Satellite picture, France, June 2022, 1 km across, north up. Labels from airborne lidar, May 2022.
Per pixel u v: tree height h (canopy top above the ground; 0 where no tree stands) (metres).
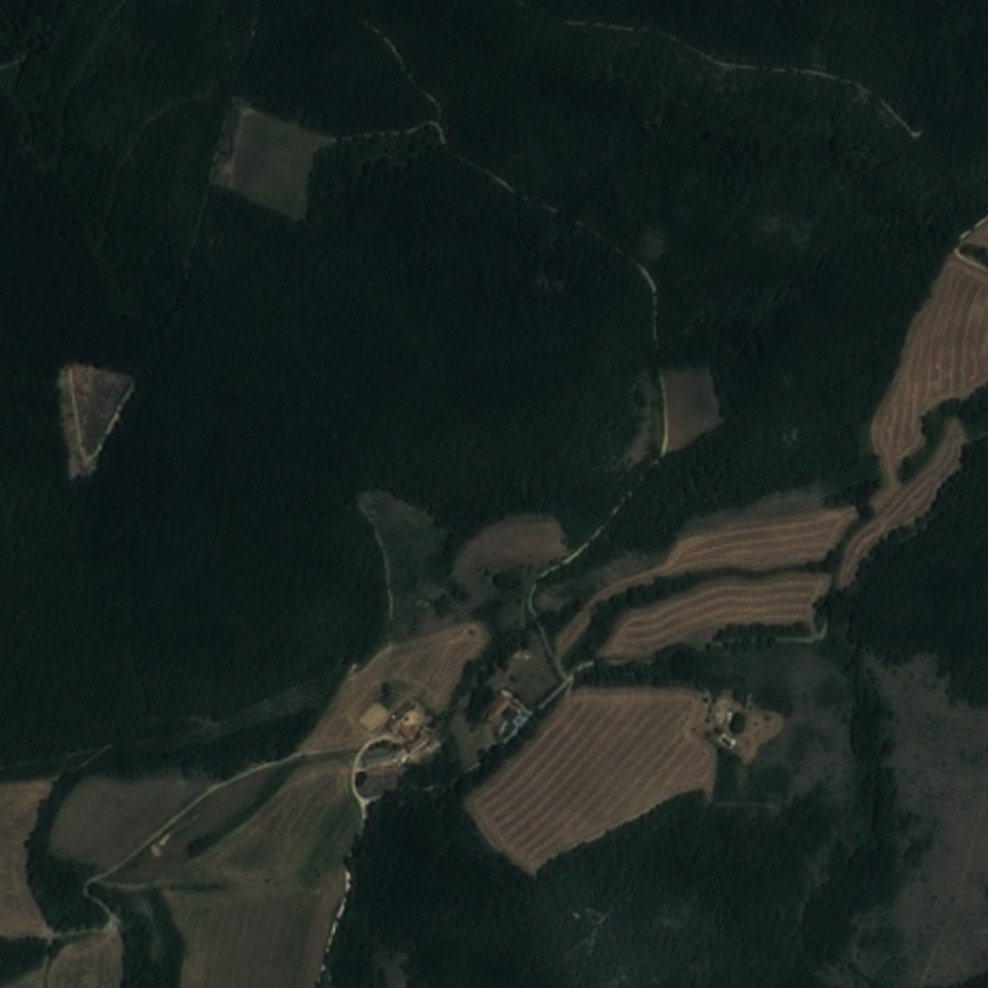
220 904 0
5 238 13
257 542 14
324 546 13
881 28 9
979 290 0
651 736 0
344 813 0
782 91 6
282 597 11
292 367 12
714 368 9
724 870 10
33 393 14
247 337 12
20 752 13
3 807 0
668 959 6
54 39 18
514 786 0
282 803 0
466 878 13
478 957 11
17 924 0
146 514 13
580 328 12
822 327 8
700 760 0
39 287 15
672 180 7
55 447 13
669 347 9
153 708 11
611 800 0
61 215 22
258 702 8
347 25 11
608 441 6
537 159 6
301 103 13
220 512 11
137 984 15
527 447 7
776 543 0
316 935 0
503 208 11
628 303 8
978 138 8
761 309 21
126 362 17
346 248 12
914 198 14
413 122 10
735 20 9
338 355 12
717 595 0
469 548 0
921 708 0
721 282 6
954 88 16
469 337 11
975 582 10
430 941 8
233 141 0
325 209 16
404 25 8
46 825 7
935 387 0
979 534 10
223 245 10
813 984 9
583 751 0
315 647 10
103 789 0
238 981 0
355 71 9
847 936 7
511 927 9
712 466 17
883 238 11
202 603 11
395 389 10
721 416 10
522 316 13
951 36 16
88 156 8
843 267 12
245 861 0
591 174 6
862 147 16
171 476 12
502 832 0
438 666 0
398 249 14
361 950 9
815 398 12
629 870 6
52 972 0
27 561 11
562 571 10
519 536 0
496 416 9
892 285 11
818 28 9
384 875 12
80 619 11
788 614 0
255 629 13
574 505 12
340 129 9
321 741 0
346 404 12
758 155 16
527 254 13
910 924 0
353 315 13
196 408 11
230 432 10
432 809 17
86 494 15
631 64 12
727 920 6
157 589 12
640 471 8
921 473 0
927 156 6
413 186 16
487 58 7
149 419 12
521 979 13
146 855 0
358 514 13
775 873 11
